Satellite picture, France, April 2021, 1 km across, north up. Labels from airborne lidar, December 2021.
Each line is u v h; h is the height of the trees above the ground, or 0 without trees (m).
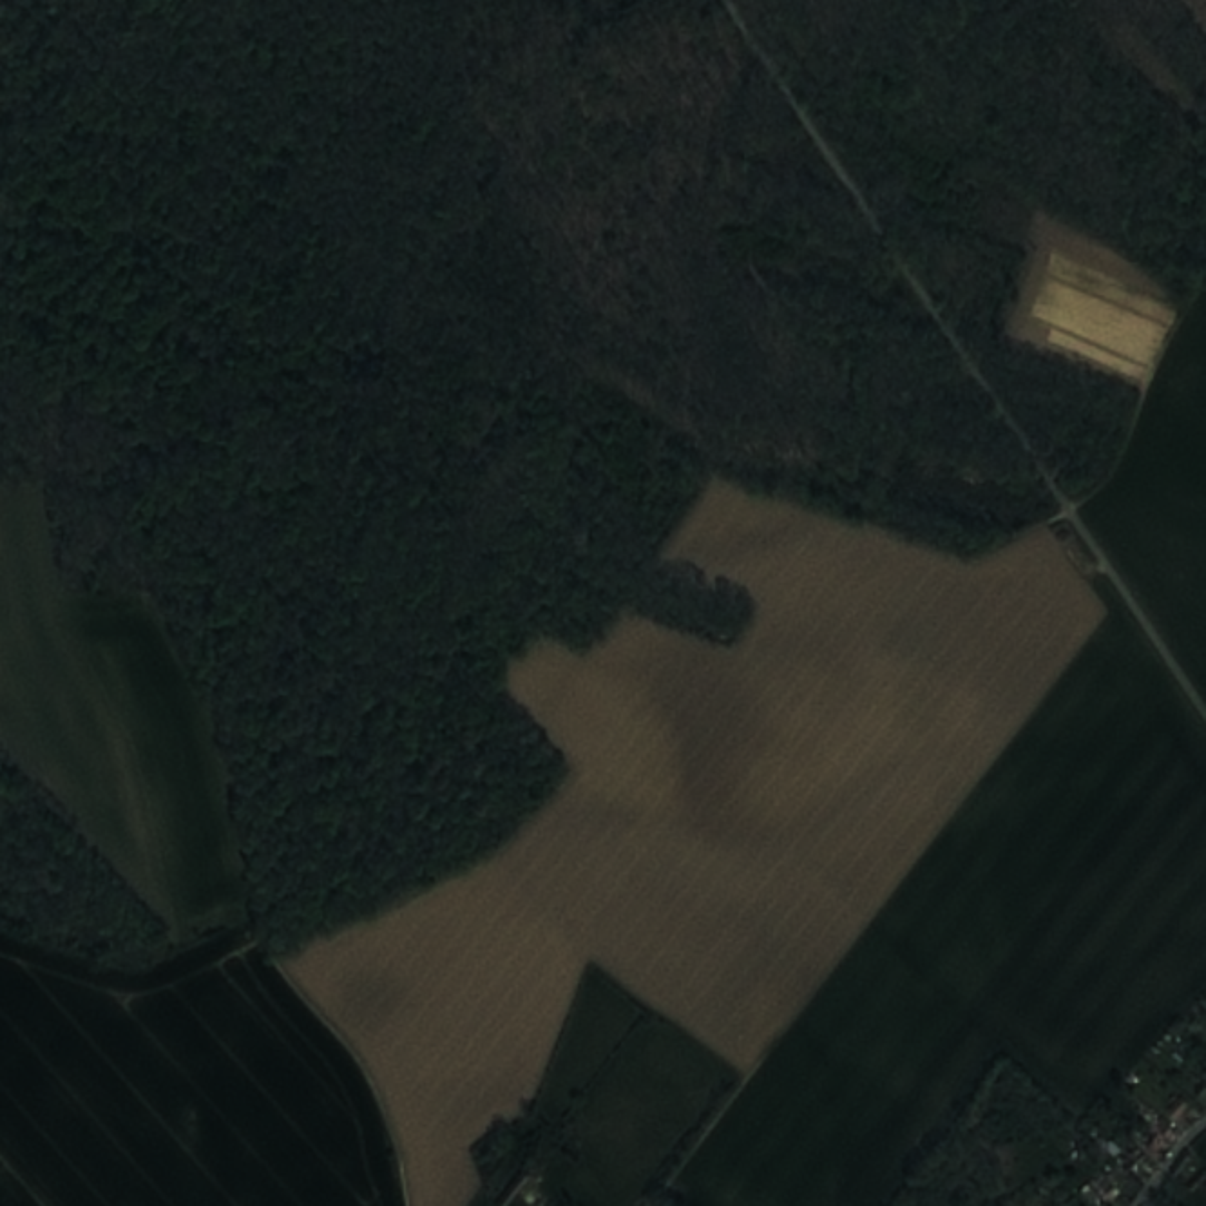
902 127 11
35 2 17
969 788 0
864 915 0
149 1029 0
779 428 28
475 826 24
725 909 0
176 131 21
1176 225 22
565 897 0
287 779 23
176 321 23
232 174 20
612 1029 0
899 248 19
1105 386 16
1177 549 0
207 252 24
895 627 0
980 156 24
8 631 0
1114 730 0
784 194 21
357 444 27
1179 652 0
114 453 24
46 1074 0
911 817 0
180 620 16
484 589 26
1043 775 0
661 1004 0
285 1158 0
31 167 23
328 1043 0
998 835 0
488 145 17
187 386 25
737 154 24
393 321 25
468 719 20
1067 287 0
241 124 24
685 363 19
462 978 0
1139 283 0
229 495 25
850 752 0
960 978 0
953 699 0
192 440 23
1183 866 0
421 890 15
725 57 18
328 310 22
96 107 25
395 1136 0
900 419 27
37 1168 0
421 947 0
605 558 25
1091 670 0
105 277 19
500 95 18
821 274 9
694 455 23
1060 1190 10
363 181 22
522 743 17
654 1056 0
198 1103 0
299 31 23
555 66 26
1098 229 24
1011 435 16
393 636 24
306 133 22
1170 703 0
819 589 0
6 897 15
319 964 0
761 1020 0
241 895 0
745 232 9
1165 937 0
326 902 20
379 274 23
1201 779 0
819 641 0
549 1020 0
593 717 0
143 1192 0
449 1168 0
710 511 0
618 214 22
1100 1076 0
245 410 25
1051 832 0
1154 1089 0
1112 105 24
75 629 0
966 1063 0
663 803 0
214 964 0
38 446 19
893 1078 0
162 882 0
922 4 23
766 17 23
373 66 23
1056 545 0
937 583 0
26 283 16
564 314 23
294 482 14
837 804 0
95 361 27
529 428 25
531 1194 0
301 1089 0
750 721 0
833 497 17
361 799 24
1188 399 0
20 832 21
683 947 0
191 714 0
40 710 0
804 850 0
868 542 0
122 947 21
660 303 13
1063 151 20
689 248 24
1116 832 0
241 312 28
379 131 21
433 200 12
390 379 19
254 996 0
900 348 24
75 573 20
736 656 0
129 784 0
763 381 25
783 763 0
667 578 24
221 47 24
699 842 0
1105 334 0
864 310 20
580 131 20
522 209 21
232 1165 0
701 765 0
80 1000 0
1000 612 0
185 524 27
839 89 13
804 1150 0
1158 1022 0
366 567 26
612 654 0
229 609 24
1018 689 0
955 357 22
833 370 29
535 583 15
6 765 13
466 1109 0
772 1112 0
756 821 0
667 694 0
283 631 23
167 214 19
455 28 21
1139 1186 11
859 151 14
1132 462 0
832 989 0
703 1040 0
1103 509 0
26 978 0
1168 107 18
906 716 0
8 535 0
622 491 7
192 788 0
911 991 0
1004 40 25
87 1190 0
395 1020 0
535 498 28
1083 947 0
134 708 0
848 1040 0
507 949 0
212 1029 0
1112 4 20
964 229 26
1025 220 0
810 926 0
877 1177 0
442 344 16
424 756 13
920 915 0
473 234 19
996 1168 17
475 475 23
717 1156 0
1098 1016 0
